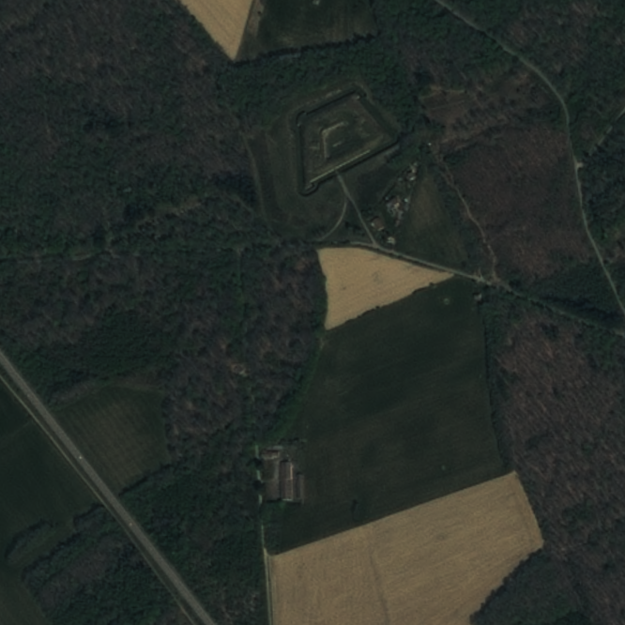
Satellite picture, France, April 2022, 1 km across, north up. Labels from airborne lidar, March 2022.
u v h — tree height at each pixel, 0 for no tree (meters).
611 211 13
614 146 26
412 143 28
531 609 29
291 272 31
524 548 0
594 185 18
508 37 27
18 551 21
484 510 0
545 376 22
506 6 23
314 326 13
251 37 0
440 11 25
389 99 25
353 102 0
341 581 0
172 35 24
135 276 29
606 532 15
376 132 0
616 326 29
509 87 0
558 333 21
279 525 13
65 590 24
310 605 0
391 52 25
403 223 9
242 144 18
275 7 0
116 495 0
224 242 25
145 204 24
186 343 29
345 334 0
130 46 26
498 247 9
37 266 28
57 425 0
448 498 0
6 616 0
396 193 0
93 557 25
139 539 0
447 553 0
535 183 14
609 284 16
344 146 0
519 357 23
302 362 31
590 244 14
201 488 29
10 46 25
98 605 22
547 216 14
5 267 20
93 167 27
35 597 9
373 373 0
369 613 0
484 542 0
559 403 25
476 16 28
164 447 0
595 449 27
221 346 28
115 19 28
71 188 25
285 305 28
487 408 0
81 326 23
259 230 27
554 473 24
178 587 0
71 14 27
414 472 0
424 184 0
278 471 0
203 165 27
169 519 13
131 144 27
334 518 0
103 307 29
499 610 27
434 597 0
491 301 18
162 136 23
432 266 0
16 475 0
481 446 0
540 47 26
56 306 31
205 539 11
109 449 0
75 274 30
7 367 0
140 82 27
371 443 0
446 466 0
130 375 15
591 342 23
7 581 0
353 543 0
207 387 30
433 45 23
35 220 21
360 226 0
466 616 0
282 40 0
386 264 0
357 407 0
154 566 0
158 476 11
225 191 33
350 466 0
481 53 29
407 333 0
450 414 0
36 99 26
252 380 21
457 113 0
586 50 28
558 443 24
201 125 25
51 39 25
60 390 15
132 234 20
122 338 18
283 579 0
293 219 0
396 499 0
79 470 0
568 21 27
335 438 0
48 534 23
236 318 29
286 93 24
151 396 0
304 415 0
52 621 19
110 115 28
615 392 24
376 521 0
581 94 25
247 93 23
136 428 0
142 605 20
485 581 0
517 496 0
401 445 0
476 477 0
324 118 0
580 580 26
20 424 0
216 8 0
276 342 32
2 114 30
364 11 0
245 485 26
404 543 0
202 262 22
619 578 29
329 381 0
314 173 0
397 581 0
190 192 24
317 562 0
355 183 0
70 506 0
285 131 0
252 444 19
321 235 15
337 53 20
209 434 27
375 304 0
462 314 0
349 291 0
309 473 0
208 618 0
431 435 0
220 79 27
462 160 16
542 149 19
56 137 26
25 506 0
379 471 0
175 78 25
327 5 0
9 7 26
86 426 0
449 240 0
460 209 10
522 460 23
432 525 0
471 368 0
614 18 18
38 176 26
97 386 22
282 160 0
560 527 13
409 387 0
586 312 26
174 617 21
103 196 26
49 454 0
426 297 0
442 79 22
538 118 26
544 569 28
